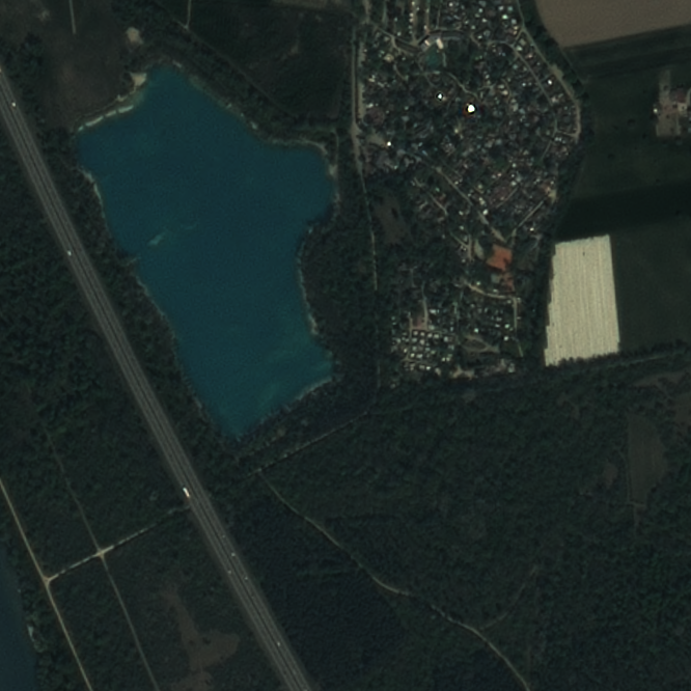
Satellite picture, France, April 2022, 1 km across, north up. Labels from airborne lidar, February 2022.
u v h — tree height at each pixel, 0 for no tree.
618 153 0
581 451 9
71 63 0
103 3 0
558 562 18
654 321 0
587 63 0
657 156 0
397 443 20
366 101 0
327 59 0
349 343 19
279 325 0
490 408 21
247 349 0
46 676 12
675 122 0
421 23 0
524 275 7
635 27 0
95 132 0
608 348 0
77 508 12
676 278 0
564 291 0
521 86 0
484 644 10
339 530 20
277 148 0
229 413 0
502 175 0
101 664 16
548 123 13
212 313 0
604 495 11
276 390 0
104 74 0
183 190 0
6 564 0
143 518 11
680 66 0
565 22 0
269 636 0
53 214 0
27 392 0
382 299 15
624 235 0
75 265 0
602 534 6
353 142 12
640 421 0
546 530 17
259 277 0
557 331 0
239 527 16
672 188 0
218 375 0
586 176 0
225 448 6
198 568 6
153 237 0
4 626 0
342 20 0
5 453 11
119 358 0
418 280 9
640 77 0
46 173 0
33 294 17
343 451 15
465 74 14
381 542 17
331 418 17
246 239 0
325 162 0
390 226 0
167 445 0
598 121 0
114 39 0
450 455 18
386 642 22
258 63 0
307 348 0
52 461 17
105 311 0
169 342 15
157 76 0
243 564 0
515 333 0
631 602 19
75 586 11
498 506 21
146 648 6
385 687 17
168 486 20
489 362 7
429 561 16
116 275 9
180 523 12
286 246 0
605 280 0
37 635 10
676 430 0
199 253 0
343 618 20
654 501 16
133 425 25
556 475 9
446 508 20
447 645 13
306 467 13
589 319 0
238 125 0
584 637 16
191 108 0
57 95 0
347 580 24
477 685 24
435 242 10
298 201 0
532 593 12
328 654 19
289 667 0
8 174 12
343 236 9
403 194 9
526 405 21
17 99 0
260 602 0
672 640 10
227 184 0
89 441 11
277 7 0
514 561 16
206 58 14
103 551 0
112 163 0
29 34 0
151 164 0
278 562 22
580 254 0
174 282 0
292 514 21
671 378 0
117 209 0
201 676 0
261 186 0
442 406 21
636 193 0
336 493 16
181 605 0
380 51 12
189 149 0
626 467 7
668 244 0
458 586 22
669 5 0
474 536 22
